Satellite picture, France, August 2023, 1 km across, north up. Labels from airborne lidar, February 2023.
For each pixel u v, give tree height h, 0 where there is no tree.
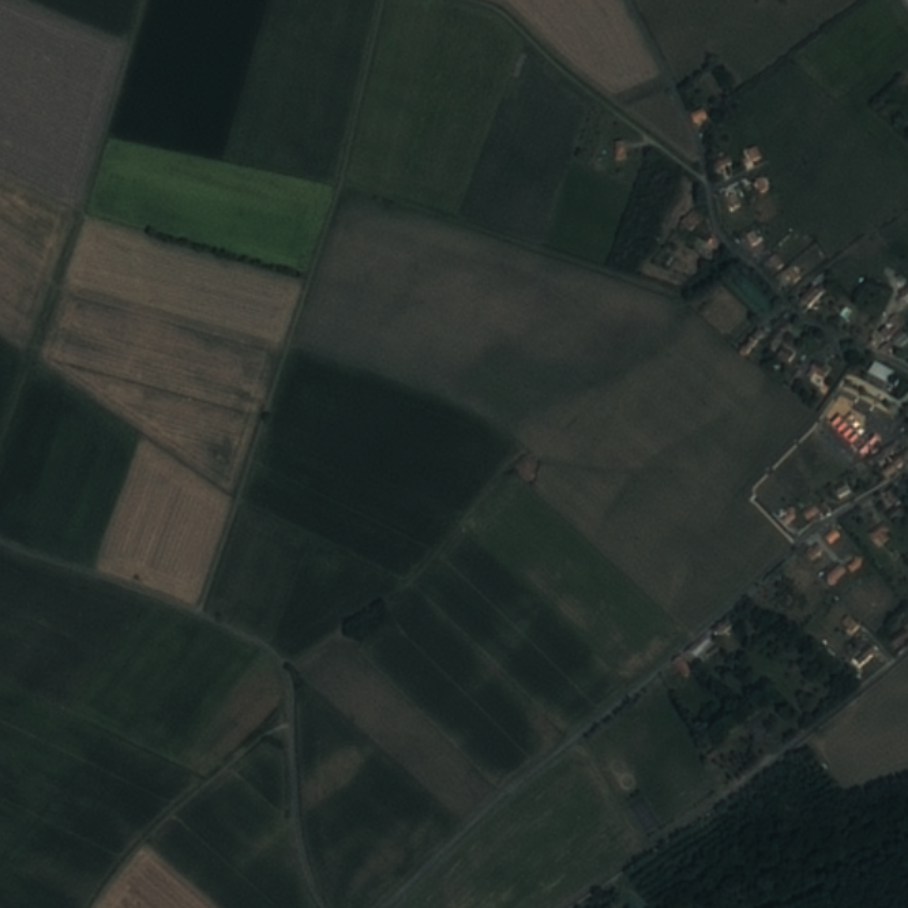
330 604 0
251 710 0
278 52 0
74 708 0
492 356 0
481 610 0
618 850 0
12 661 0
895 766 0
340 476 0
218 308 0
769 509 0
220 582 0
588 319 0
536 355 0
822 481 0
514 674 0
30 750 0
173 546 0
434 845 0
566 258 0
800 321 11
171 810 0
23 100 0
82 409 0
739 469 0
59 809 0
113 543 0
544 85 0
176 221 0
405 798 0
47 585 0
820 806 16
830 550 0
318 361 0
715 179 9
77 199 0
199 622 0
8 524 0
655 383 0
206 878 0
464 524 0
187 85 0
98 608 0
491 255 0
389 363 0
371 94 0
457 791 0
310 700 0
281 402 0
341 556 0
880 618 0
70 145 0
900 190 0
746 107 0
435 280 0
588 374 0
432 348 0
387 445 0
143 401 0
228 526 0
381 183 0
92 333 0
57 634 0
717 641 11
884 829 10
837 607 0
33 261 0
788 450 0
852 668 11
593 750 0
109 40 0
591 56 0
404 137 0
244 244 0
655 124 0
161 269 0
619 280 0
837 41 0
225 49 0
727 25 0
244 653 0
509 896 0
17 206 0
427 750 0
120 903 0
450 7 0
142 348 0
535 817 0
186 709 0
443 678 0
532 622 0
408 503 0
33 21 0
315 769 0
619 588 0
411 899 0
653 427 0
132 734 0
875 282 6
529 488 0
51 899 0
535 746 0
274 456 0
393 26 0
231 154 0
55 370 0
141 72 0
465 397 0
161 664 0
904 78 11
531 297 0
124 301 0
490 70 0
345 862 0
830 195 0
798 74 0
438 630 0
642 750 0
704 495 0
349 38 0
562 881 0
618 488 0
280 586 0
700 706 0
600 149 0
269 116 0
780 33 0
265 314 0
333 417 0
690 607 0
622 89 0
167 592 0
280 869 0
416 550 0
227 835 0
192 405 0
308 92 0
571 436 0
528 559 0
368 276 0
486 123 0
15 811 0
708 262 12
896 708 0
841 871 19
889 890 18
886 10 0
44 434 0
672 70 0
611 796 0
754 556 0
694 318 0
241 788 0
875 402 0
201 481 0
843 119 0
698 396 0
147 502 0
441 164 0
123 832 0
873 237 0
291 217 0
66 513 0
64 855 0
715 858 13
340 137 0
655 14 0
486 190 0
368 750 0
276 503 0
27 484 0
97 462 0
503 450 0
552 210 0
